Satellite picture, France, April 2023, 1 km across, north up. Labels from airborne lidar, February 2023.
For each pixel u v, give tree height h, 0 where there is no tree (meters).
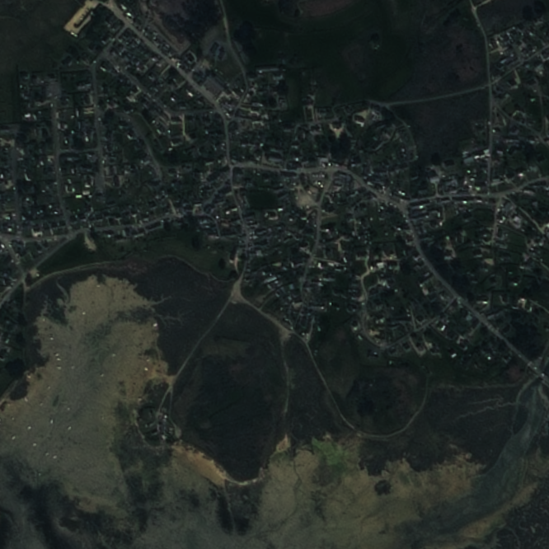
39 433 0
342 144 11
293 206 7
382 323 0
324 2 0
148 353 0
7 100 0
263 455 0
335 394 0
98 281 0
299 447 0
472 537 0
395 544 0
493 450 0
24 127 10
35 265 0
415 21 0
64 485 0
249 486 0
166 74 0
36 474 0
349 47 0
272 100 13
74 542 0
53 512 0
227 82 0
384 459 0
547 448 0
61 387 0
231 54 0
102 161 0
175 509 0
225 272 0
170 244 0
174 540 0
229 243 0
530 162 14
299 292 6
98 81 0
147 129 0
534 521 0
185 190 0
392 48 0
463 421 0
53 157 0
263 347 0
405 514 0
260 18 0
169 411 0
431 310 7
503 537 0
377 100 0
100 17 10
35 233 0
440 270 13
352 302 0
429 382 0
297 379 0
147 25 0
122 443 0
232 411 0
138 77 6
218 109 0
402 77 0
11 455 0
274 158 0
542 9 14
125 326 0
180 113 0
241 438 0
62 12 0
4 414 0
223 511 0
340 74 0
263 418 0
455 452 0
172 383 0
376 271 0
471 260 0
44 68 0
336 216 0
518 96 0
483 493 0
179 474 0
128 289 0
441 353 0
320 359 0
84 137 8
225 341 0
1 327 0
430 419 0
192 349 0
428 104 0
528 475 0
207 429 0
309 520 0
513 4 0
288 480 0
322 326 6
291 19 0
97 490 0
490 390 0
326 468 0
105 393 0
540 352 15
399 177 7
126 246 0
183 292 0
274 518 0
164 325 0
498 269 7
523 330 15
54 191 0
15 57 0
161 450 0
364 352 0
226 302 0
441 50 0
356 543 0
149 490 0
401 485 0
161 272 0
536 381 0
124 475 0
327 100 0
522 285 0
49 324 0
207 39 0
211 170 0
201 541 0
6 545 0
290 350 0
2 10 0
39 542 0
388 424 0
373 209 0
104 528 0
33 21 0
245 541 0
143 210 0
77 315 0
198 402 0
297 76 0
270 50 0
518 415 0
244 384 0
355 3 0
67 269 0
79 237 0
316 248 0
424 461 0
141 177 0
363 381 7
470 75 0
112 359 0
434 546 0
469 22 0
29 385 0
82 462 0
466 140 0
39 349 0
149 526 0
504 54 0
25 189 11
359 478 0
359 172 0
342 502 0
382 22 0
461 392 0
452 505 0
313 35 0
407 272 10
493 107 0
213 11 17
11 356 0
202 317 0
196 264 0
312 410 0
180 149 0
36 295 0
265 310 0
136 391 0
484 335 7
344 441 0
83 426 0
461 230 7
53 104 0
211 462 0
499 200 0
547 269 0
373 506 0
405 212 0
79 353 0
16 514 0
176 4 0
